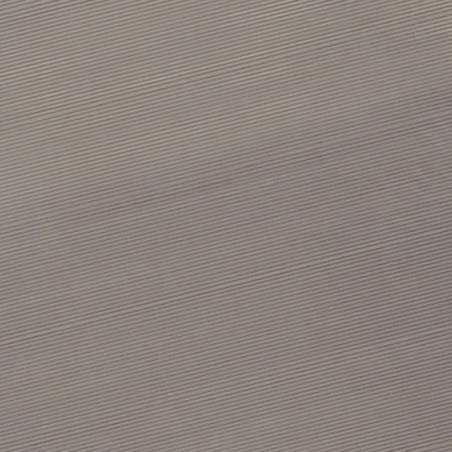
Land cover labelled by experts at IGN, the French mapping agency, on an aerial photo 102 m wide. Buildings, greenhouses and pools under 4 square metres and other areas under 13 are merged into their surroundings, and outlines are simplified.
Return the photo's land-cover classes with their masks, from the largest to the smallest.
<instances>
[{"label":"agricultural land","instance_id":"1","mask_svg":"<svg viewBox=\"0 0 452 452\"><path fill-rule=\"evenodd\" d=\"M0 452H452V0H0Z\"/></svg>","mask_w":452,"mask_h":452}]
</instances>
